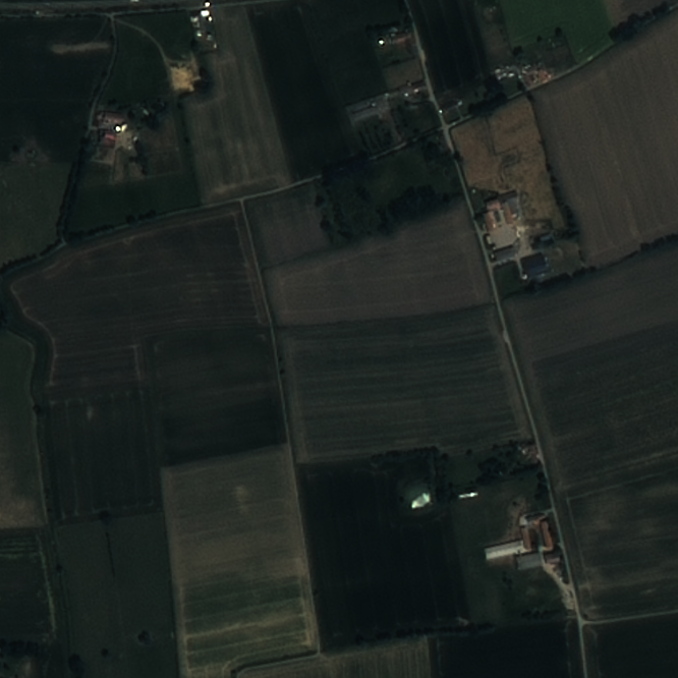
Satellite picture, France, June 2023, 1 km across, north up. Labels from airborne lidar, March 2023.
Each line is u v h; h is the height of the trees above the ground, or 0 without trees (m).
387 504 0
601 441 0
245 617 0
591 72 0
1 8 0
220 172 0
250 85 0
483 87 0
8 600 0
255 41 0
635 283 0
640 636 0
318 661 0
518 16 0
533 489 0
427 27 0
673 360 0
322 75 0
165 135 0
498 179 0
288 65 0
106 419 0
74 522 0
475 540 0
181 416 0
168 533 0
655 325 0
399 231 0
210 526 0
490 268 0
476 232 0
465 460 0
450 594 0
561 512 0
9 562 0
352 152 0
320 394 0
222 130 0
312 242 0
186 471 0
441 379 0
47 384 0
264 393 0
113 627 0
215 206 0
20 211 0
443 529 0
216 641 0
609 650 0
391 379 0
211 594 0
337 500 0
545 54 0
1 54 0
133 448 0
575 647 0
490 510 0
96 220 0
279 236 0
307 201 0
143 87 0
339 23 0
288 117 0
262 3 0
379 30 8
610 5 0
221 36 0
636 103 0
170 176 0
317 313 0
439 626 0
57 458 0
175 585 0
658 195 0
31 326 0
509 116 0
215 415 0
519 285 0
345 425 0
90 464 0
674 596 0
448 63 0
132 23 0
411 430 0
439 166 0
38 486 0
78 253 0
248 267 0
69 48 0
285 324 0
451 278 0
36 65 0
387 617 0
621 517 0
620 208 0
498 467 13
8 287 0
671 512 0
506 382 0
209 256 0
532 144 0
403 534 0
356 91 0
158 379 0
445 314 0
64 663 0
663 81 0
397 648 0
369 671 0
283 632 0
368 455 0
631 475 0
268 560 0
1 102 0
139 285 0
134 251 0
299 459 0
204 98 0
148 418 0
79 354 0
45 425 0
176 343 0
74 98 0
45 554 0
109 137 0
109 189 0
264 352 0
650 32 0
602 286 0
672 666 0
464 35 0
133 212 0
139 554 0
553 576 0
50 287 0
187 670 0
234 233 0
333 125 0
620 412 0
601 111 0
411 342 0
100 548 0
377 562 0
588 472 0
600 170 0
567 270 0
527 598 0
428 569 0
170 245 0
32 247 0
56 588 0
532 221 0
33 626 0
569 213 7
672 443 0
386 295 0
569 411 0
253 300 0
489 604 0
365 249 0
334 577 0
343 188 0
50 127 0
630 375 0
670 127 0
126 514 0
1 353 0
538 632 0
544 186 0
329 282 0
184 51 0
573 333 0
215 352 0
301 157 0
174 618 0
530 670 0
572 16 0
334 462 0
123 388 0
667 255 0
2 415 0
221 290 0
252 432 0
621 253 0
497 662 0
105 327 0
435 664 0
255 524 0
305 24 0
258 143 0
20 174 0
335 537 0
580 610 0
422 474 0
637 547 0
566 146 0
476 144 0
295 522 0
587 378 0
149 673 0
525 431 0
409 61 0
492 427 0
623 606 0
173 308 0
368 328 0
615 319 0
